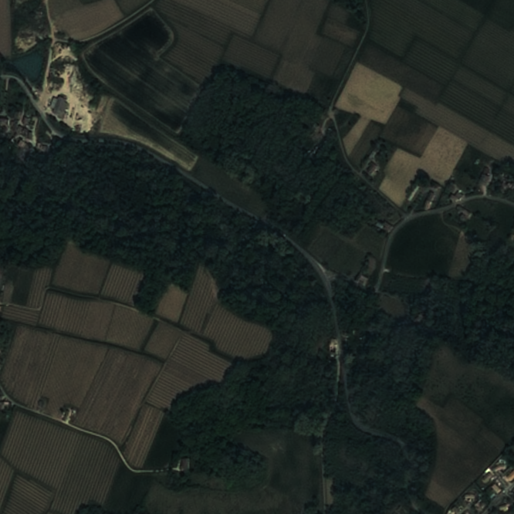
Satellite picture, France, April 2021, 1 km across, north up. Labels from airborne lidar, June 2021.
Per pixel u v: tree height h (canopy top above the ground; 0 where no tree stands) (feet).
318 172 80
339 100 0
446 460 0
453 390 0
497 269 66
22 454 0
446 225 0
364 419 46
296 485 0
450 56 0
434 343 57
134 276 0
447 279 38
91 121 0
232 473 20
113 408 0
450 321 37
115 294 0
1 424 0
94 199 82
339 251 0
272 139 81
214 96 68
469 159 0
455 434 0
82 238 67
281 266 96
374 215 43
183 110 0
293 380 43
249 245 66
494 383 0
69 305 0
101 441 0
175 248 60
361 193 52
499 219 0
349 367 73
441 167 0
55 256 54
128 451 0
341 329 24
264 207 0
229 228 55
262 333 0
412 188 30
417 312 34
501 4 0
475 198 0
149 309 54
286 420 31
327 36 0
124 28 0
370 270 30
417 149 0
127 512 0
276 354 42
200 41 0
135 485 0
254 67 0
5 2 0
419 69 0
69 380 0
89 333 0
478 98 0
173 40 0
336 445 20
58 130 0
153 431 0
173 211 82
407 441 38
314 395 51
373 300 70
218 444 87
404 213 0
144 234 48
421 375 71
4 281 0
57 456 0
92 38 0
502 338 84
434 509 32
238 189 0
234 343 0
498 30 0
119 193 27
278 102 76
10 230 54
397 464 52
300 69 0
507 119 0
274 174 69
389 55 0
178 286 44
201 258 40
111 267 0
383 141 27
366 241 0
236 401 73
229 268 54
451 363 0
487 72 0
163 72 0
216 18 0
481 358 79
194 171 0
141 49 0
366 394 26
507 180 18
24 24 0
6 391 0
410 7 0
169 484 21
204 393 65
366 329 31
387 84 0
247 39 0
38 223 70
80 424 0
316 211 49
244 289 26
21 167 64
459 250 0
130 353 0
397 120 0
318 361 43
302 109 72
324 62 0
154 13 0
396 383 37
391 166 0
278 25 0
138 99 0
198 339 0
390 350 69
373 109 0
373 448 33
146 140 0
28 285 0
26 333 0
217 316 0
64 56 0
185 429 56
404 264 0
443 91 0
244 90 86
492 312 67
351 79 0
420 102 0
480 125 0
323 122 0
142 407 0
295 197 45
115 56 0
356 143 0
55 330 0
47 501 0
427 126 0
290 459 0
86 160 62
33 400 0
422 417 59
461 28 0
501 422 0
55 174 55
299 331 71
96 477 0
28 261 48
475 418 0
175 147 0
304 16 0
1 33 0
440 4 0
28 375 0
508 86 0
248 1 0
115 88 0
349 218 62
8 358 0
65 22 0
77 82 0
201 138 30
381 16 0
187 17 0
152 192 58
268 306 88
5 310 0
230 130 70
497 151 0
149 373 0
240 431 53
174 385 0
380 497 54
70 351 0
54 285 0
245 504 0
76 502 0
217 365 0
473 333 73
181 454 38
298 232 66
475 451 0
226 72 62
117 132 0
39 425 0
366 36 0
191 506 0
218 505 0
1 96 71
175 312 0
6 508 0
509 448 35
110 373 0
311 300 35
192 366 0
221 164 69
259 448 0
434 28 0
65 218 79
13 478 0
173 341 0
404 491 33
